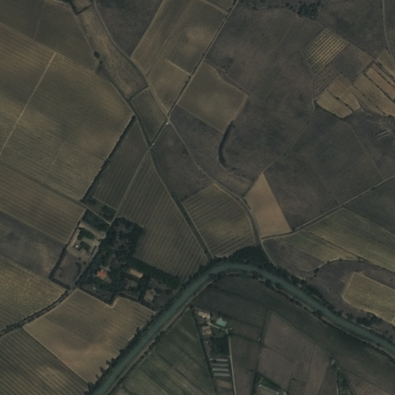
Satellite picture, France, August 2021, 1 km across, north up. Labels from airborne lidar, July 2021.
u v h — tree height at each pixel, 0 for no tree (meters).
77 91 0
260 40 0
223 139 6
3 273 0
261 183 0
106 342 0
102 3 0
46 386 0
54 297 0
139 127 0
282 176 0
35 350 0
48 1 0
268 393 0
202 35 0
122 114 0
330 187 0
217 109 0
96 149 0
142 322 0
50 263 0
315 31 0
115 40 0
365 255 0
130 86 0
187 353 0
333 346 0
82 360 0
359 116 0
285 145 0
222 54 0
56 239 0
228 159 0
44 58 0
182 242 0
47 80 0
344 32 0
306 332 0
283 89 0
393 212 0
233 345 0
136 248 7
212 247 0
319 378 0
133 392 0
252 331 0
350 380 0
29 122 0
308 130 0
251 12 0
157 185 0
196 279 9
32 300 0
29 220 0
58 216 0
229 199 0
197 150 0
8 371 0
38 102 0
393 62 0
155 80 0
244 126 0
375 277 0
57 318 0
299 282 15
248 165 0
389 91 0
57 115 0
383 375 0
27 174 0
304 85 0
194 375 0
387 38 0
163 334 20
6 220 0
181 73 0
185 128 0
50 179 0
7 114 0
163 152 0
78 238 11
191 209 0
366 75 8
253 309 0
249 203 0
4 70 0
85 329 0
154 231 0
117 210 0
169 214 0
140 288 14
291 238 0
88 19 0
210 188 0
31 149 0
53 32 0
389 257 0
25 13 0
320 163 0
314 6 13
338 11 0
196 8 0
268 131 0
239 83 0
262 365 0
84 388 0
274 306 0
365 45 0
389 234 0
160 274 20
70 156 0
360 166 0
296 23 0
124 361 0
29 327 0
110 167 0
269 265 14
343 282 0
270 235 0
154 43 0
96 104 0
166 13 0
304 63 0
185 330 0
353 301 0
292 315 0
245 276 5
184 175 0
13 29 0
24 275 0
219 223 0
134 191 0
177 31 0
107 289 11
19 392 0
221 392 0
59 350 0
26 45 0
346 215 0
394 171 0
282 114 0
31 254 0
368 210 0
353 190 0
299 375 0
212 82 0
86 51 0
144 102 0
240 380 0
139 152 0
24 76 0
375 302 0
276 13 0
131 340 6
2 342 0
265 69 0
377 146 0
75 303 0
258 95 0
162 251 0
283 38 0
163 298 0
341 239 0
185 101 0
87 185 0
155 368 0
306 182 0
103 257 7
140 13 0
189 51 0
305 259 0
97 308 0
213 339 12
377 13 0
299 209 0
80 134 0
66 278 0
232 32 0
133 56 0
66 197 0
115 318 0
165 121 0
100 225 8
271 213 0
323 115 0
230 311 0
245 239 0
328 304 10
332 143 0
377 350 13
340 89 0
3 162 0
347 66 0
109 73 0
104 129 0
